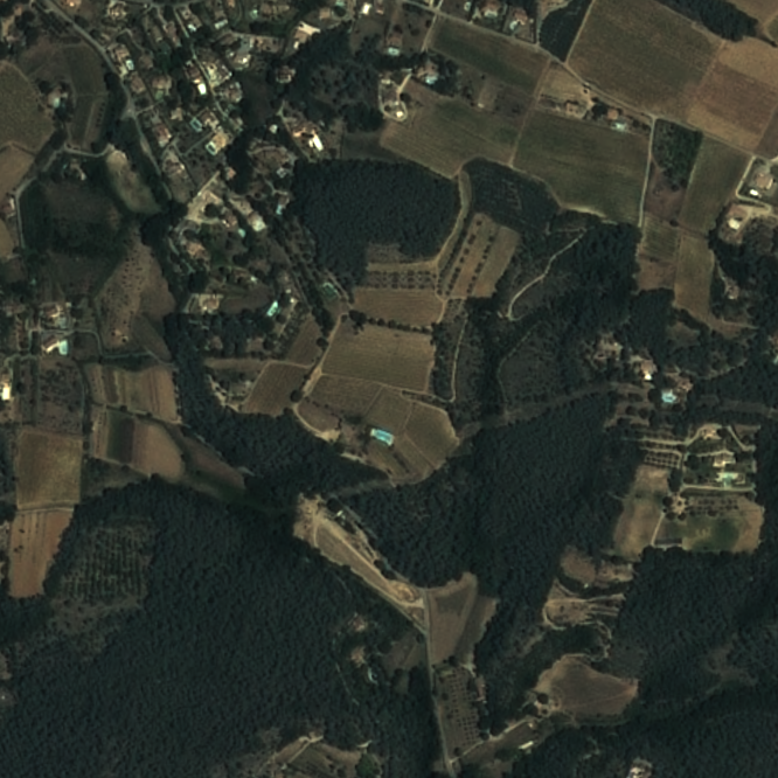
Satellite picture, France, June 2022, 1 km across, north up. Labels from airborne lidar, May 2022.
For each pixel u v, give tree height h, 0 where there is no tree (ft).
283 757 0
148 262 0
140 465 0
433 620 0
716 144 0
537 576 65
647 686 40
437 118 0
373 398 0
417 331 28
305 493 39
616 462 50
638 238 72
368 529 58
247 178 44
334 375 0
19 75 0
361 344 0
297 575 46
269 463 53
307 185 68
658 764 56
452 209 61
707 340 50
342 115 49
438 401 24
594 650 29
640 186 0
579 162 0
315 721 60
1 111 0
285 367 0
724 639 38
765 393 64
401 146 0
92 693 53
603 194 0
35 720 50
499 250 0
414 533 51
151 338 0
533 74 0
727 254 38
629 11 0
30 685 62
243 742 65
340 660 34
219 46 41
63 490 0
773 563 68
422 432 0
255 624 34
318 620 48
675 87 0
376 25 0
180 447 0
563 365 57
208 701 64
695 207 0
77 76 0
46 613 40
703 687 72
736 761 47
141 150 52
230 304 0
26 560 0
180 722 52
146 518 31
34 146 0
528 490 55
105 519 24
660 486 0
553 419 41
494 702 25
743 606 70
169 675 53
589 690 0
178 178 0
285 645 64
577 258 47
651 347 66
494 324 23
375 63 54
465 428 50
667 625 43
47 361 0
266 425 49
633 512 0
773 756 44
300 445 26
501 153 0
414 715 72
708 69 0
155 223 64
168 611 75
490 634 40
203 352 30
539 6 57
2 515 26
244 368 0
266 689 51
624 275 71
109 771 47
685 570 67
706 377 72
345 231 63
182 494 39
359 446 0
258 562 60
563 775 48
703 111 0
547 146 0
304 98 53
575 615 0
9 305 0
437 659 0
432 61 22
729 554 34
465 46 0
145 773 53
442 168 0
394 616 32
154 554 23
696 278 0
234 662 52
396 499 29
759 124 0
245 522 60
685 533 0
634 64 0
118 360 19
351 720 43
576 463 53
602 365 26
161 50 30
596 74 0
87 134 0
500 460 27
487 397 46
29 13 37
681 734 45
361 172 62
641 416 28
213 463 0
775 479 66
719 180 0
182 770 66
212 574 74
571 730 37
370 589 29
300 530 0
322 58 41
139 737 57
